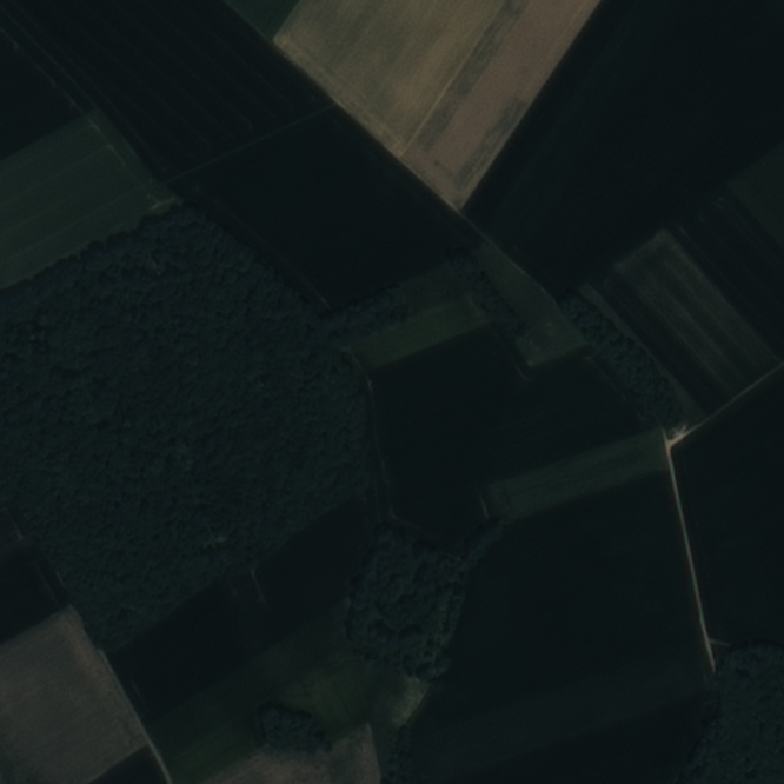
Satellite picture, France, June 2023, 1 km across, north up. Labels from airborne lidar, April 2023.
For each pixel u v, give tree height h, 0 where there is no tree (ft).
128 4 0
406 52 0
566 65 0
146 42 0
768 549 0
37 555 0
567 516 0
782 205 0
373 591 74
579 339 0
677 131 0
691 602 0
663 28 0
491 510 0
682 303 0
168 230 48
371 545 0
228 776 0
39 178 0
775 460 0
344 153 0
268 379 79
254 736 0
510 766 0
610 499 0
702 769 56
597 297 0
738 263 0
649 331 0
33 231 0
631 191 0
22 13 0
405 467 0
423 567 74
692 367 0
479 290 48
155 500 94
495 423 0
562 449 0
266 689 0
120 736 0
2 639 0
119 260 49
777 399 0
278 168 0
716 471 0
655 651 0
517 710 0
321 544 0
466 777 0
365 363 0
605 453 0
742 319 0
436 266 0
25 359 86
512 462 0
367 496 0
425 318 0
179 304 82
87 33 0
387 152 0
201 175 0
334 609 0
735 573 0
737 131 0
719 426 0
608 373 0
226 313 88
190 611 0
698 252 0
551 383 0
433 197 0
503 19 0
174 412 74
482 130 0
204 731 0
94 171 0
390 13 0
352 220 0
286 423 84
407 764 38
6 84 0
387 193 0
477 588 0
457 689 0
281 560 0
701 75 0
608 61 0
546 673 0
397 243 0
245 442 93
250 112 0
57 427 95
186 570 79
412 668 45
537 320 0
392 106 0
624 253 0
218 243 65
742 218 0
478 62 0
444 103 0
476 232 0
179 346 72
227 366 90
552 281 0
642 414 0
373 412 0
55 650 0
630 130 0
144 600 73
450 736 0
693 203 0
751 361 0
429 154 0
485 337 0
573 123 0
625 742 0
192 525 73
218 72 0
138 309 67
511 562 0
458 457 0
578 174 0
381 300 51
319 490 71
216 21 0
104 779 0
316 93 0
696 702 0
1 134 0
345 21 0
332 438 79
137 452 95
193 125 0
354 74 0
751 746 81
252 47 0
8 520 0
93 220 0
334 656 0
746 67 0
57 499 82
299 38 0
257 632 0
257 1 0
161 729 0
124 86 0
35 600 0
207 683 0
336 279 0
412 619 37
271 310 75
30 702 0
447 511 0
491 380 0
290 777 0
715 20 0
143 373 84
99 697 0
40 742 0
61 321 77
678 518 0
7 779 0
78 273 61
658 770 0
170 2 0
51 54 0
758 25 0
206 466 77
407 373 0
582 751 0
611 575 0
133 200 0
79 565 73
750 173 0
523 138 0
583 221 0
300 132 0
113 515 85
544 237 0
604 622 0
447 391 0
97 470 86
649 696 0
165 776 0
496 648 0
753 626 0
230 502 84
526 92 0
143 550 71
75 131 0
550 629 0
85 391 100
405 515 0
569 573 0
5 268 0
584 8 0
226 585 0
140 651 0
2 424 70
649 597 0
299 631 0
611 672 0
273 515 73
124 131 0
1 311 85
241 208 0
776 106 0
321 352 82
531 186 0
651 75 0
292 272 0
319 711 0
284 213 0
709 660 0
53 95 0
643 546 0
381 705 0
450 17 0
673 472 0
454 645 0
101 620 68
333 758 0
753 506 0
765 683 83
